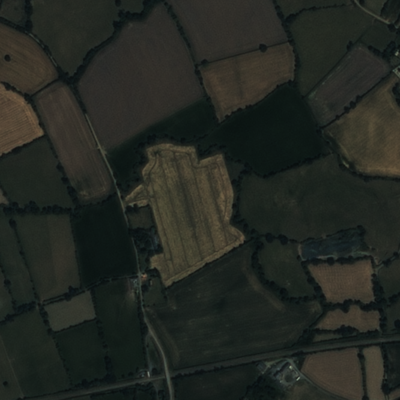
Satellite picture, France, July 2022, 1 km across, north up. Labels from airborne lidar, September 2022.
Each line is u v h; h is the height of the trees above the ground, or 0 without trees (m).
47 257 0
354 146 0
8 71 0
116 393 9
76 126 0
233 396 0
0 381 0
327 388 0
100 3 0
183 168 0
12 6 0
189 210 0
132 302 0
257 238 7
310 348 0
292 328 0
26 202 0
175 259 0
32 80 0
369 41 0
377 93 0
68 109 0
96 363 0
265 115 0
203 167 0
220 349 0
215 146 10
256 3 0
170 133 0
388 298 0
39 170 0
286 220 0
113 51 0
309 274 9
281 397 0
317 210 0
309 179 0
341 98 0
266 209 0
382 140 0
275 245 0
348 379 0
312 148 0
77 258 8
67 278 0
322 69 0
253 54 0
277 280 0
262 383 17
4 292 0
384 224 0
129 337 0
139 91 0
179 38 0
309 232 0
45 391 0
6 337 0
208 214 0
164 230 0
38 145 0
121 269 0
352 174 7
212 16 0
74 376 0
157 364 0
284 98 0
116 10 0
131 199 0
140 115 0
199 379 0
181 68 0
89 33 0
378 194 0
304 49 0
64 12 0
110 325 0
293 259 0
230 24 0
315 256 0
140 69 0
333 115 0
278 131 0
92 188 0
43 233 0
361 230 7
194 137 9
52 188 0
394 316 0
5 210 17
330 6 7
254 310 0
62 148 0
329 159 0
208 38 0
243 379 0
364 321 0
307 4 0
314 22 0
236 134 0
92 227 0
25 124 0
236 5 0
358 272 0
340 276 0
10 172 0
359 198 0
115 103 0
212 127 0
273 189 0
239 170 0
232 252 9
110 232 0
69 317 0
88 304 0
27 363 0
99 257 0
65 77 12
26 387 0
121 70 0
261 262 0
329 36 0
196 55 0
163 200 0
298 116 0
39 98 0
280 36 0
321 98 0
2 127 0
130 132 0
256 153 0
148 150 0
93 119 0
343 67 0
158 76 0
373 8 0
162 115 0
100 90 0
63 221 0
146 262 15
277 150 0
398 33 8
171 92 0
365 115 0
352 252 0
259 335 0
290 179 0
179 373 0
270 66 0
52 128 0
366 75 0
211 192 0
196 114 0
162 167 0
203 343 0
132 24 0
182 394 0
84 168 0
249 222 0
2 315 0
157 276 6
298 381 0
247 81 0
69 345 0
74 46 0
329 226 0
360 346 6
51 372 0
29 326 0
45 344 0
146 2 12
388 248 0
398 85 13
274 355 0
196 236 0
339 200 0
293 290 0
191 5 0
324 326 0
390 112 0
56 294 0
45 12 0
